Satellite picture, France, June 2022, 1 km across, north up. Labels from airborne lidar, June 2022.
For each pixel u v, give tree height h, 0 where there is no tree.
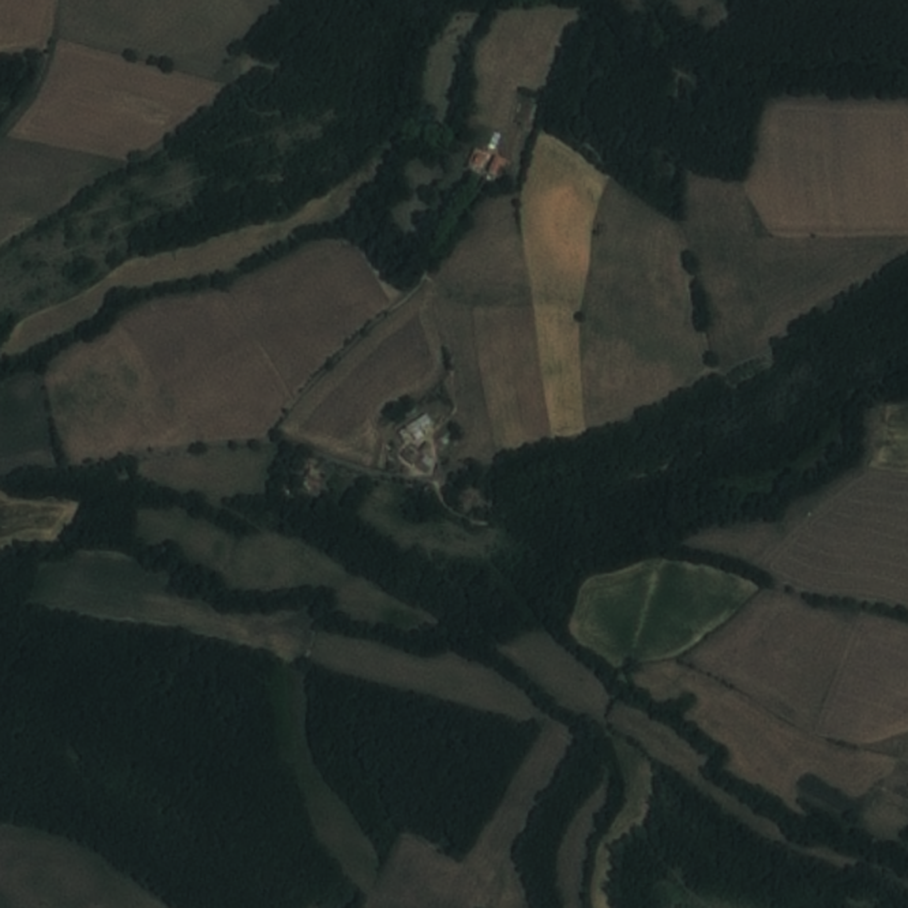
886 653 0
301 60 18
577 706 0
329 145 8
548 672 0
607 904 0
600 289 0
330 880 15
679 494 21
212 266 0
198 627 0
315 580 0
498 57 0
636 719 0
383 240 32
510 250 0
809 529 0
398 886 0
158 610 0
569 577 24
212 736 20
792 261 0
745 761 0
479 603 18
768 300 0
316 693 13
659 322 0
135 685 14
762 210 0
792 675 0
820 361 17
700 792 18
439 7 19
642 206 0
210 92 0
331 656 0
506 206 0
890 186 0
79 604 0
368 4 18
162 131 0
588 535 22
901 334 17
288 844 16
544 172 0
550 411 0
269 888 12
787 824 16
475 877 0
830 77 15
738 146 19
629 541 20
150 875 15
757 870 13
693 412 11
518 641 13
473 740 16
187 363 0
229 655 17
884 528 0
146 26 0
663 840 16
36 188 0
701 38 18
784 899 14
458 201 25
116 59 0
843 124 0
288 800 17
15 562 19
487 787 18
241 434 0
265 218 19
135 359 0
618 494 14
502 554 7
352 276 0
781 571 0
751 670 0
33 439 0
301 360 0
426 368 0
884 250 0
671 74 27
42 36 0
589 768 16
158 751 17
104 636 18
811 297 0
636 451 8
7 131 0
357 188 0
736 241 0
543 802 15
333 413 0
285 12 15
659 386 0
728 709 0
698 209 0
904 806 0
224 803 18
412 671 0
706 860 17
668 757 0
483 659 14
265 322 0
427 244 21
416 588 11
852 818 19
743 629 0
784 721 0
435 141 27
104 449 0
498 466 10
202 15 0
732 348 0
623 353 0
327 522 17
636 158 14
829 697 0
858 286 9
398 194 23
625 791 10
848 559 0
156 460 0
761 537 0
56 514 0
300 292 0
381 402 0
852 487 0
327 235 20
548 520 13
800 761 0
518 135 0
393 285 29
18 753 14
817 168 0
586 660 18
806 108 0
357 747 16
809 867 14
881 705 0
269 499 15
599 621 0
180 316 0
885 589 0
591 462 10
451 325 0
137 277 0
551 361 0
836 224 0
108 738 17
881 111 0
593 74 24
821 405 18
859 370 20
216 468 0
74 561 0
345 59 13
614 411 0
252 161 14
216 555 0
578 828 0
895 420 0
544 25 0
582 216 0
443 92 0
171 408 0
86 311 0
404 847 0
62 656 18
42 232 7
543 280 0
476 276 0
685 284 0
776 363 7
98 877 0
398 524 0
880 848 17
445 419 0
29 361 12
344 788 8
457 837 20
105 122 0
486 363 0
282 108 13
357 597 0
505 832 0
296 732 0
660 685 0
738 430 10
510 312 0
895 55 18
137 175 10
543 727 8
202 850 15
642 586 0
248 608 15
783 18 20
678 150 15
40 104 0
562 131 12
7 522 0
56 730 15
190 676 18
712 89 25
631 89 18
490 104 0
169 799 11
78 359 0
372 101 10
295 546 0
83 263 15
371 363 0
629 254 0
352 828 0
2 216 0
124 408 0
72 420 0
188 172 0
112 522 19
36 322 0
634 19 23
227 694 19
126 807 16
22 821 17
